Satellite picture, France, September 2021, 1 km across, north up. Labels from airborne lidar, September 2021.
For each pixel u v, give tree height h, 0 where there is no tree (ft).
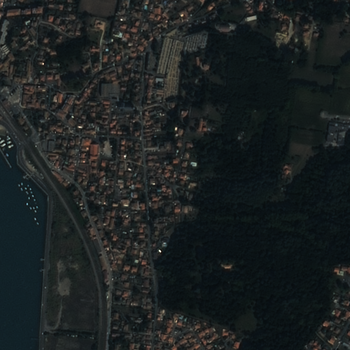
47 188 0
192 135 0
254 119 0
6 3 0
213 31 38
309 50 0
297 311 51
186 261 54
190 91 49
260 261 94
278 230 73
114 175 26
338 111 0
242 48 28
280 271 95
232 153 94
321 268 67
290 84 44
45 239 0
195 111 0
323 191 65
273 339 62
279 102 40
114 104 24
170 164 27
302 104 0
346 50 0
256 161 56
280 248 97
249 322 0
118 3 19
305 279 86
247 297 79
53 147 0
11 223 0
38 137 0
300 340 68
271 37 0
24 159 0
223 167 59
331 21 68
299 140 0
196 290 77
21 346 0
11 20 0
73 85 45
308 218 100
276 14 0
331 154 71
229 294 25
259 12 27
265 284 79
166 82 0
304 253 81
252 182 90
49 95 22
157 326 0
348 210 74
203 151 88
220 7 22
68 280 0
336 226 90
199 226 61
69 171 0
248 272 65
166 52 0
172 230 0
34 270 0
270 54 36
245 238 78
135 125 36
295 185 52
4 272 0
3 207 0
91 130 0
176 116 54
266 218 65
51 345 0
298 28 0
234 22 20
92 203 24
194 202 54
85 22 21
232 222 46
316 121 0
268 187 90
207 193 51
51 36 39
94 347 36
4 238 0
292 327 99
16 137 0
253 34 64
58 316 0
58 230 0
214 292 60
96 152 0
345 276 0
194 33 25
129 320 49
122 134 19
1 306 0
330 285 71
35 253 0
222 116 20
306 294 99
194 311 0
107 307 0
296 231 92
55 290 0
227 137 43
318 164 52
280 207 58
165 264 55
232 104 31
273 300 69
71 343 0
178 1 20
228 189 46
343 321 24
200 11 0
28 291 0
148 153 0
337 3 30
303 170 25
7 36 49
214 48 32
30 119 19
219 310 75
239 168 68
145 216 22
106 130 18
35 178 0
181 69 42
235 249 84
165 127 22
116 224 27
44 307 0
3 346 0
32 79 0
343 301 24
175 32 0
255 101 39
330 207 86
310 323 66
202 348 0
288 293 81
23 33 20
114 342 42
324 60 0
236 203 42
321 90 39
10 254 0
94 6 0
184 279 74
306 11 58
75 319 0
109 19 25
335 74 55
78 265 0
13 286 0
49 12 34
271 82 36
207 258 72
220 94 33
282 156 22
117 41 28
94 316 0
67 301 0
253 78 39
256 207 37
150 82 0
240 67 32
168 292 73
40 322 0
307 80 0
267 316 79
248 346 81
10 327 0
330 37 0
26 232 0
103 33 0
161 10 0
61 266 0
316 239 105
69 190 28
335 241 86
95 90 19
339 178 103
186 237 55
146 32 30
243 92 31
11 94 25
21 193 0
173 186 0
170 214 20
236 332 52
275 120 24
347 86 0
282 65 61
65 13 18
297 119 0
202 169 26
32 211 0
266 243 87
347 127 0
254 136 30
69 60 37
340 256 77
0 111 0
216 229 38
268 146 56
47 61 26
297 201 89
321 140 0
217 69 56
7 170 0
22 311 0
